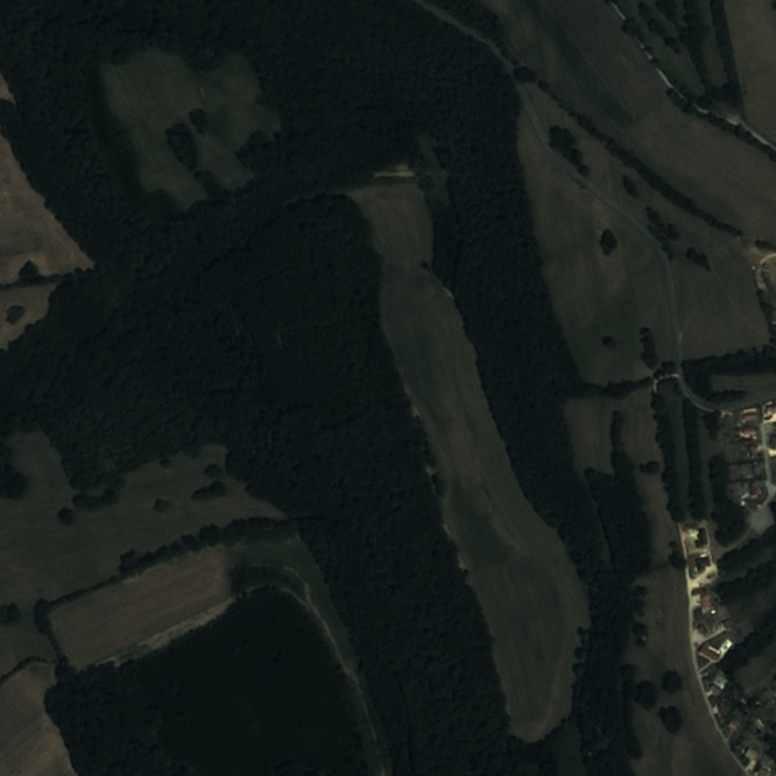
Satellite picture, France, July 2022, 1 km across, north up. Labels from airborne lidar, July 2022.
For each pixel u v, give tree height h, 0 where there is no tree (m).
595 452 0
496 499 0
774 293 0
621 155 13
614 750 17
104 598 0
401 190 0
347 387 7
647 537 14
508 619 0
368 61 18
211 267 24
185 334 12
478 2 17
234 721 6
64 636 0
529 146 0
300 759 6
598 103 0
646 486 0
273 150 23
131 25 13
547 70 0
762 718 0
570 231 0
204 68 21
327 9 20
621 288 0
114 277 7
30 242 0
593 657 24
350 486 21
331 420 8
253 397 25
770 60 0
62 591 0
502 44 11
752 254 0
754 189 0
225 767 7
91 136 25
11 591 0
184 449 7
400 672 23
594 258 0
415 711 20
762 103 0
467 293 22
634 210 0
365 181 21
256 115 0
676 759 0
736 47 0
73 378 19
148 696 6
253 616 7
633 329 0
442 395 0
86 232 15
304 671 6
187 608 0
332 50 20
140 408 6
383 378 11
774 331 9
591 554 21
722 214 0
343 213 19
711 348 0
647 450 0
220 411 22
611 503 17
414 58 16
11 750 0
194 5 22
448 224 11
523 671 0
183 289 26
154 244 21
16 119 20
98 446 7
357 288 17
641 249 0
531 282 21
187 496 0
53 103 21
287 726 6
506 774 19
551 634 0
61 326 12
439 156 26
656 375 7
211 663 7
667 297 0
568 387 17
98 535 0
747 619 0
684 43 12
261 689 7
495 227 18
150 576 0
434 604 19
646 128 0
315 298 11
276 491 24
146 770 20
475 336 22
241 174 0
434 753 27
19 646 0
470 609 27
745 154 0
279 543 0
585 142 0
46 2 22
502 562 0
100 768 22
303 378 15
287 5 22
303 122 26
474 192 20
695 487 11
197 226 24
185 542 14
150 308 22
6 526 0
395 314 0
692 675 0
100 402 8
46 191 16
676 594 0
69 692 17
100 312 13
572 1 0
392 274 0
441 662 20
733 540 7
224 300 24
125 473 6
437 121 21
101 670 15
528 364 22
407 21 20
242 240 17
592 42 0
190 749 6
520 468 28
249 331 14
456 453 0
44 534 0
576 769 0
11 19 22
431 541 22
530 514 0
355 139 24
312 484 29
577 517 24
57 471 0
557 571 0
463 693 19
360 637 13
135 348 10
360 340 6
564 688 0
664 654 0
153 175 0
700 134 0
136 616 0
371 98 20
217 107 0
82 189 21
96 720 28
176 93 0
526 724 0
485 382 20
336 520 17
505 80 18
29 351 8
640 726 0
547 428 18
